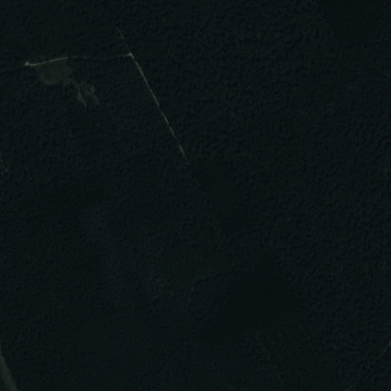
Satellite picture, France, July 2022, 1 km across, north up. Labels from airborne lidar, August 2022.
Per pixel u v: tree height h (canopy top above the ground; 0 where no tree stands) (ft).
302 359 22
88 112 62
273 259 52
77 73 47
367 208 86
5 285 81
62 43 53
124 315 45
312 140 75
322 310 45
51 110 46
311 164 59
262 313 52
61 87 71
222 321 56
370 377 68
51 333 71
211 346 36
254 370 38
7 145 75
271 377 18
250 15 89
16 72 43
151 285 47
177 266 71
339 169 82
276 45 68
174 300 42
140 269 62
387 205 84
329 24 83
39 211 85
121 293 64
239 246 79
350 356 86
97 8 81
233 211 47
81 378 41
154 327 50
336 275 80
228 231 49
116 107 65
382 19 55
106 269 61
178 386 49
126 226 81
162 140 51
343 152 66
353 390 31
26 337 70
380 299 72
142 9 89
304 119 81
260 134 78
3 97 89
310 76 88
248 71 80
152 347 38
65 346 72
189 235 70
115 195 63
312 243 40
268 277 53
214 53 77
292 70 89
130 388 50
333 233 69
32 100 68
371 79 74
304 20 86
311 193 65
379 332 74
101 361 53
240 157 83
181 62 92
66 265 65
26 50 85
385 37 56
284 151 63
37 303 70
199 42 89
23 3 84
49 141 67
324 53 84
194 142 90
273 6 81
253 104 78
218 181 51
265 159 81
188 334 24
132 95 65
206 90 78
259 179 86
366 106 78
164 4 85
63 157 81
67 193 86
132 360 47
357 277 61
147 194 81
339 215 69
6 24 86
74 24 75
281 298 55
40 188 78
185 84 91
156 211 77
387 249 66
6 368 0
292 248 83
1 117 83
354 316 86
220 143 80
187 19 73
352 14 56
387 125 69
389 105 71
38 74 77
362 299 78
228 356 31
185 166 65
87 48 62
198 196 89
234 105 49
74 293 76
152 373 33
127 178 80
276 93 80
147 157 81
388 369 51
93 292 72
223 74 72
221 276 76
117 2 75
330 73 82
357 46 82
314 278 83
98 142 82
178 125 93
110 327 49
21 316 70
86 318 41
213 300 31
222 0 90
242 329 52
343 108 78
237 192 49
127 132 81
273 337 28
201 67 86
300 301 43
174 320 51
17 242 72
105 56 56
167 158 79
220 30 73
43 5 76
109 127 63
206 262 75
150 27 87
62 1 56
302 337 27
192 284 34
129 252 69
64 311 77
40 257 63
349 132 74
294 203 64
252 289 49
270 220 67
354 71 67
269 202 73
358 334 84
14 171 80
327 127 73
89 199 83
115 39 63
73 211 87
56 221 71
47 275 71
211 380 34
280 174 62
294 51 99
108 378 52
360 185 80
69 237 74
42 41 64
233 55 83
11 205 72
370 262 87
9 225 68
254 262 47
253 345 31
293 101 94
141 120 58
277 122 74
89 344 51
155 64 42
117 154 62
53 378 67
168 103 77
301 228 78
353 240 72
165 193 82
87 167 84
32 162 87
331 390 27
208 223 82
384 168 82
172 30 79
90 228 67
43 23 72
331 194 69
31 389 61
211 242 79
